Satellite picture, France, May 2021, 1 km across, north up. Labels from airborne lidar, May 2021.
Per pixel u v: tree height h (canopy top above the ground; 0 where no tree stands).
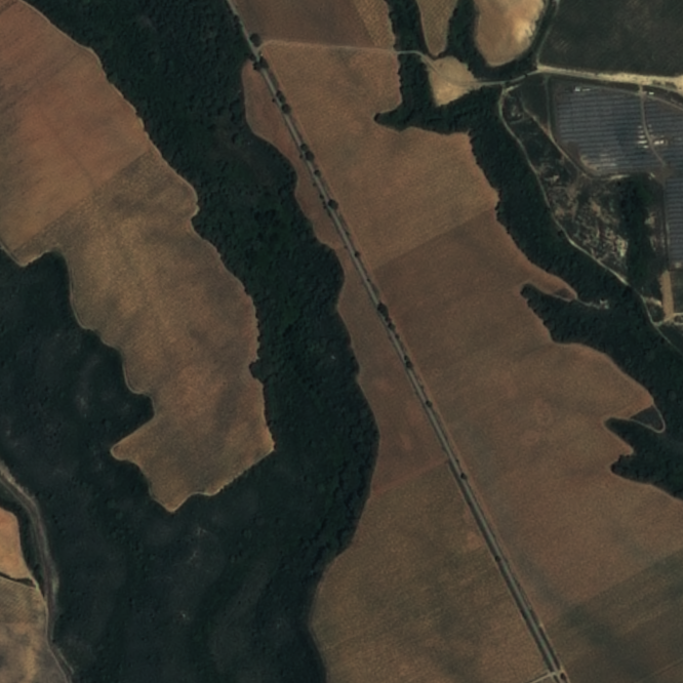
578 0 0
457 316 0
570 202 0
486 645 0
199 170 9
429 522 0
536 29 0
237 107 13
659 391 5
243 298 0
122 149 0
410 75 12
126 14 5
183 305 0
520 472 0
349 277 0
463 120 13
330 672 0
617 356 6
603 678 0
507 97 0
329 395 5
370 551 0
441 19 0
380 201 0
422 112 11
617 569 0
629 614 0
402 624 0
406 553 0
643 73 0
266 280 6
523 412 0
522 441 0
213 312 0
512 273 0
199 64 7
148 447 0
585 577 0
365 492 11
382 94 0
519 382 0
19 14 0
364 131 0
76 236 0
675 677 0
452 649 0
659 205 0
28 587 0
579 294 7
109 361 5
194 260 0
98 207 0
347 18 0
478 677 0
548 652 0
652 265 0
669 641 0
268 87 0
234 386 0
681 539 0
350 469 16
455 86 0
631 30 0
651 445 6
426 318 0
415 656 0
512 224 6
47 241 0
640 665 0
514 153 6
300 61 0
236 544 7
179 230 0
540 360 0
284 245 8
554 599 0
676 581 0
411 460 0
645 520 0
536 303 14
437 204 0
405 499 0
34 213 0
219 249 7
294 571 5
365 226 0
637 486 0
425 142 0
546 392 0
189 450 0
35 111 0
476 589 0
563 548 0
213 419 0
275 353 15
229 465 0
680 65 0
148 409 6
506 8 0
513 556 0
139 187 0
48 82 0
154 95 7
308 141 0
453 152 0
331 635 0
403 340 0
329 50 0
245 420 0
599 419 0
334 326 5
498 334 0
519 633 0
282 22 0
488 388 0
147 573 6
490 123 6
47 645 0
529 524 0
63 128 0
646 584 0
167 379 0
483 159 12
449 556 0
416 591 0
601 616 0
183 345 0
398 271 0
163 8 6
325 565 7
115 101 0
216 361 0
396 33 8
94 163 0
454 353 0
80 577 0
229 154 0
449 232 0
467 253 0
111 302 0
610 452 0
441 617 0
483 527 0
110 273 0
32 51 0
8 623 0
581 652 0
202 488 0
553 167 0
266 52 0
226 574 6
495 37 0
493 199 0
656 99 0
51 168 0
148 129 9
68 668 0
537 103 0
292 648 5
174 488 0
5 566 0
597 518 0
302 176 0
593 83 0
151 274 0
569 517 0
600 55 0
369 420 9
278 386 15
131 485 6
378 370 0
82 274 0
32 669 0
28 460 0
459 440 0
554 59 0
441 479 0
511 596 0
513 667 0
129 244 0
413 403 0
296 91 0
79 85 0
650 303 0
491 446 0
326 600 0
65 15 8
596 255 0
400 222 0
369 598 0
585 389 0
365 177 0
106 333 0
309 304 10
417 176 0
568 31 0
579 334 12
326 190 0
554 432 0
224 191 7
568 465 0
